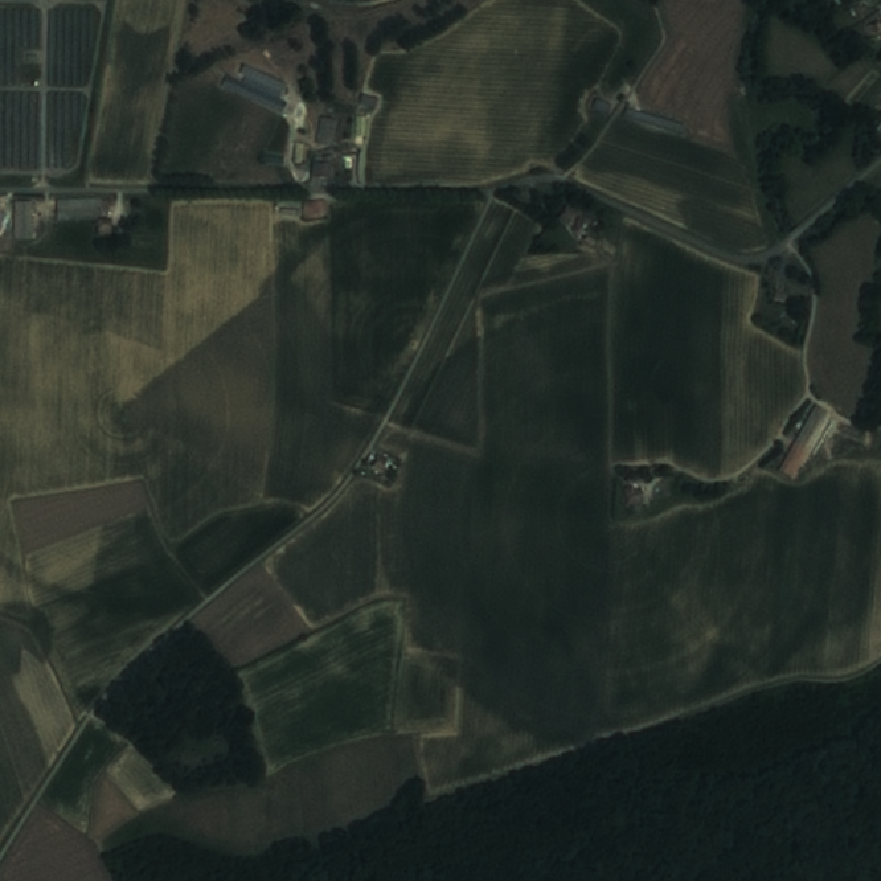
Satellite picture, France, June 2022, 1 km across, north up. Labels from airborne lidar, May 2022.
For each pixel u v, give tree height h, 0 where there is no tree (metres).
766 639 0
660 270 0
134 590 0
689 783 23
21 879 0
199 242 0
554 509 0
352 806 0
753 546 0
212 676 21
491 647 0
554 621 0
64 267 0
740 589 0
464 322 0
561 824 23
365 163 0
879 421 13
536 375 0
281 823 0
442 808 12
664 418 0
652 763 22
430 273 0
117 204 0
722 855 24
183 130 0
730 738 6
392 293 0
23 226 0
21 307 0
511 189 11
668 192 0
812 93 16
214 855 7
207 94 0
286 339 0
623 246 0
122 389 0
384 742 0
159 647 21
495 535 0
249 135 0
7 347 0
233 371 0
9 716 0
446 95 0
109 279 0
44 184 0
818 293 10
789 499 0
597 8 0
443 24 19
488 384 0
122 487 0
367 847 23
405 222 0
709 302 0
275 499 0
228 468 0
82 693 0
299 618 0
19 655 0
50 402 0
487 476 0
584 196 17
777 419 0
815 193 0
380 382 0
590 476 0
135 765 0
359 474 8
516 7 0
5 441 0
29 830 0
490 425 0
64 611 0
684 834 23
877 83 0
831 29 18
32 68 0
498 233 0
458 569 0
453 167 0
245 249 0
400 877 17
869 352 0
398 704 0
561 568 0
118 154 0
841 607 0
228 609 0
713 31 0
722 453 0
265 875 10
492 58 0
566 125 0
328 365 0
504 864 22
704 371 0
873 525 0
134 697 22
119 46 0
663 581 0
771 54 0
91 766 0
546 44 0
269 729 0
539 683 0
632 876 19
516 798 20
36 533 0
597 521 0
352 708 0
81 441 0
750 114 0
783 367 0
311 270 0
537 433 0
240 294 0
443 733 0
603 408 0
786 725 9
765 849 27
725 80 0
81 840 0
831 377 0
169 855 10
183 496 0
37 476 0
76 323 0
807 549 0
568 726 0
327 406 0
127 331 0
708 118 0
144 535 0
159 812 0
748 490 0
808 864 26
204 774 14
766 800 23
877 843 22
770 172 24
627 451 0
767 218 0
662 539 0
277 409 0
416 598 0
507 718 0
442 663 0
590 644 0
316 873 20
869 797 22
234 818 0
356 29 0
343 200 19
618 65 0
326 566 0
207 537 0
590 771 17
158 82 0
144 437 0
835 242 0
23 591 0
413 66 0
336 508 0
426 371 0
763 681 0
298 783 0
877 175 0
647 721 0
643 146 0
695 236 0
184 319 0
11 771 0
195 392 0
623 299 0
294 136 0
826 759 20
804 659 0
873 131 11
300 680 0
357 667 0
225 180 0
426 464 0
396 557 0
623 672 0
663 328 0
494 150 0
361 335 0
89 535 0
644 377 0
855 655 0
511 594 0
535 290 0
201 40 0
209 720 15
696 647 0
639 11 0
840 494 0
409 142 0
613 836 24
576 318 0
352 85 17
